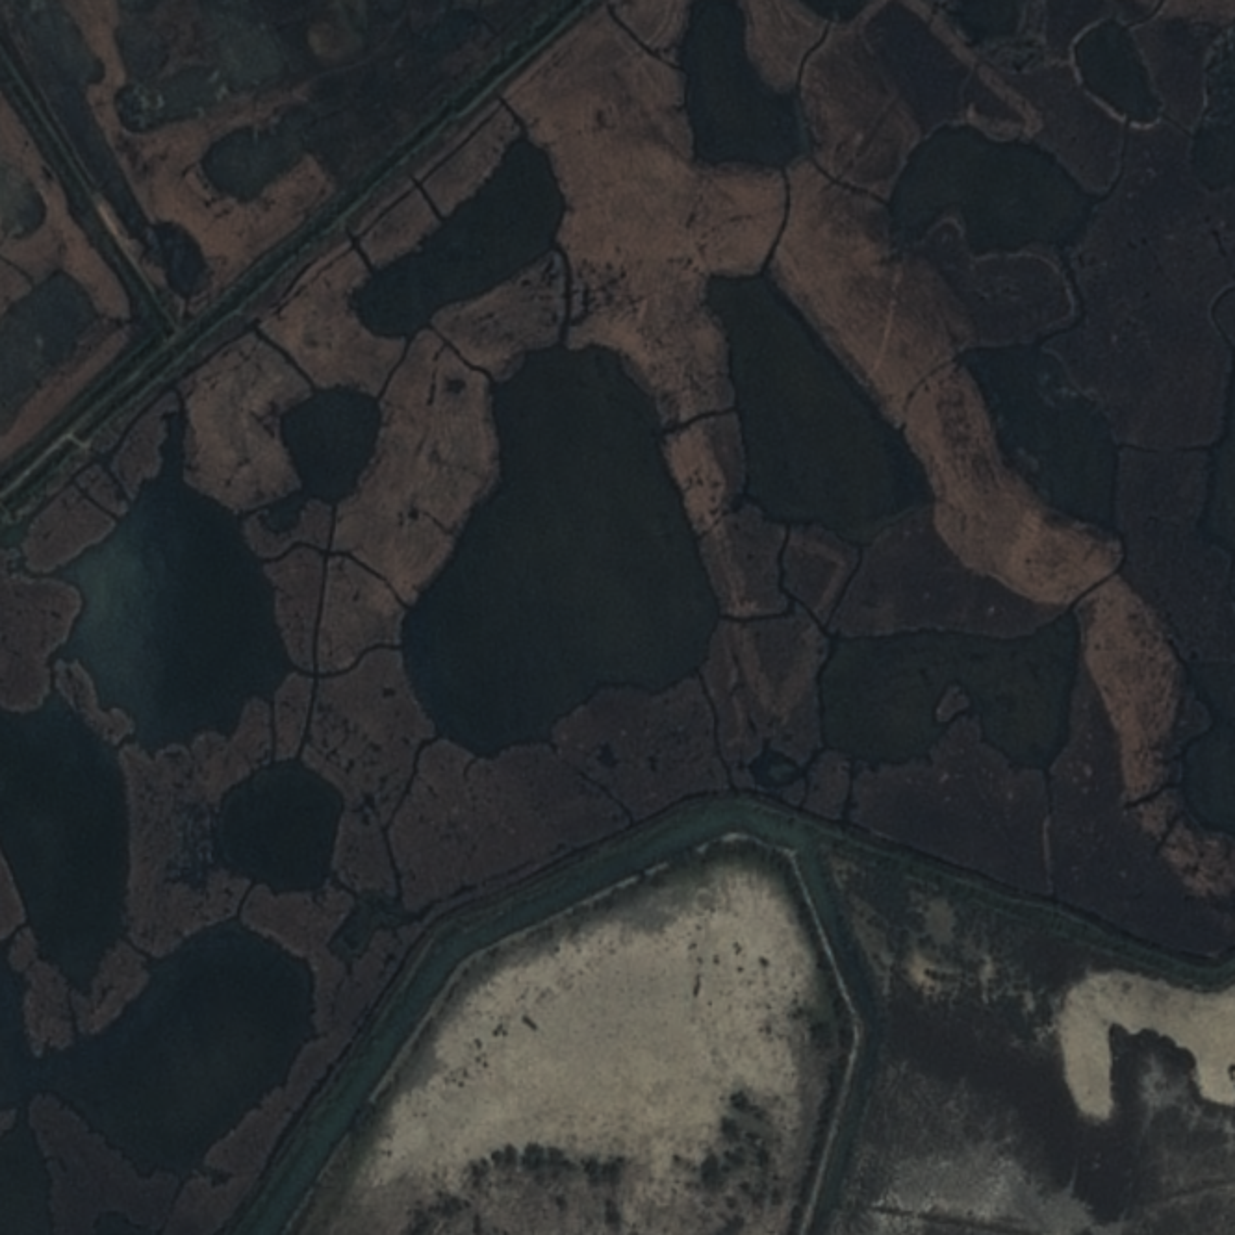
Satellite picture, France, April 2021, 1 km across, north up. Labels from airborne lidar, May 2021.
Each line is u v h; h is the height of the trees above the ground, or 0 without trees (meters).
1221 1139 0
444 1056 0
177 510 0
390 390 0
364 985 0
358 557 0
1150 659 0
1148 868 0
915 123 0
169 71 0
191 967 0
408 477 0
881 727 0
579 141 0
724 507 0
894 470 0
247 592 0
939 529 0
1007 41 0
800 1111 0
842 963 0
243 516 0
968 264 0
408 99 0
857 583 0
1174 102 0
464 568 0
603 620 0
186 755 0
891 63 0
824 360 0
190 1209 0
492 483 0
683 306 0
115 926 0
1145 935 0
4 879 0
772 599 0
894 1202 0
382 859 0
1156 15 0
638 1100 0
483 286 0
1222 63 0
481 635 0
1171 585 0
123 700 0
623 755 0
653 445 0
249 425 0
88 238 0
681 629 0
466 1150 0
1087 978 0
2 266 0
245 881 0
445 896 0
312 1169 0
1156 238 0
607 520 0
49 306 0
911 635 0
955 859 0
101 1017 0
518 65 0
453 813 0
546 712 0
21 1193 0
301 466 0
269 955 0
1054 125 0
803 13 0
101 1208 0
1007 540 0
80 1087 0
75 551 0
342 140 0
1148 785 0
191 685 0
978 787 0
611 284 0
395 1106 0
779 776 0
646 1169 0
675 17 0
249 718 0
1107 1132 0
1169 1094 0
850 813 0
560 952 0
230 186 0
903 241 0
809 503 0
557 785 0
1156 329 0
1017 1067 0
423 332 0
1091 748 0
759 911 0
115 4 0
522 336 0
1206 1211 0
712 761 0
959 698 0
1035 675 0
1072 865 0
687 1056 0
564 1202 7
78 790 0
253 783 0
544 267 0
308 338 0
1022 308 0
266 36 0
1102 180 0
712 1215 0
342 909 0
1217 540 0
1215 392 0
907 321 0
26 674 0
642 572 0
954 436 0
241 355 0
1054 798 0
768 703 0
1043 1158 0
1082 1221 0
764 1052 0
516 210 0
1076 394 0
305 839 0
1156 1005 0
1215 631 0
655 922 0
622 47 0
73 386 0
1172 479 0
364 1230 0
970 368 0
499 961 0
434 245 0
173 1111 0
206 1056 0
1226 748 0
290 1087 0
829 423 0
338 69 0
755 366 0
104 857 0
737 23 0
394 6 0
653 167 0
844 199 0
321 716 0
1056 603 0
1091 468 0
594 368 0
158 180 0
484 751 0
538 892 0
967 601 0
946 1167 0
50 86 0
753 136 0
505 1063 0
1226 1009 0
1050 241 0
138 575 0
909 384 0
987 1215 0
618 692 0
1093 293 0
